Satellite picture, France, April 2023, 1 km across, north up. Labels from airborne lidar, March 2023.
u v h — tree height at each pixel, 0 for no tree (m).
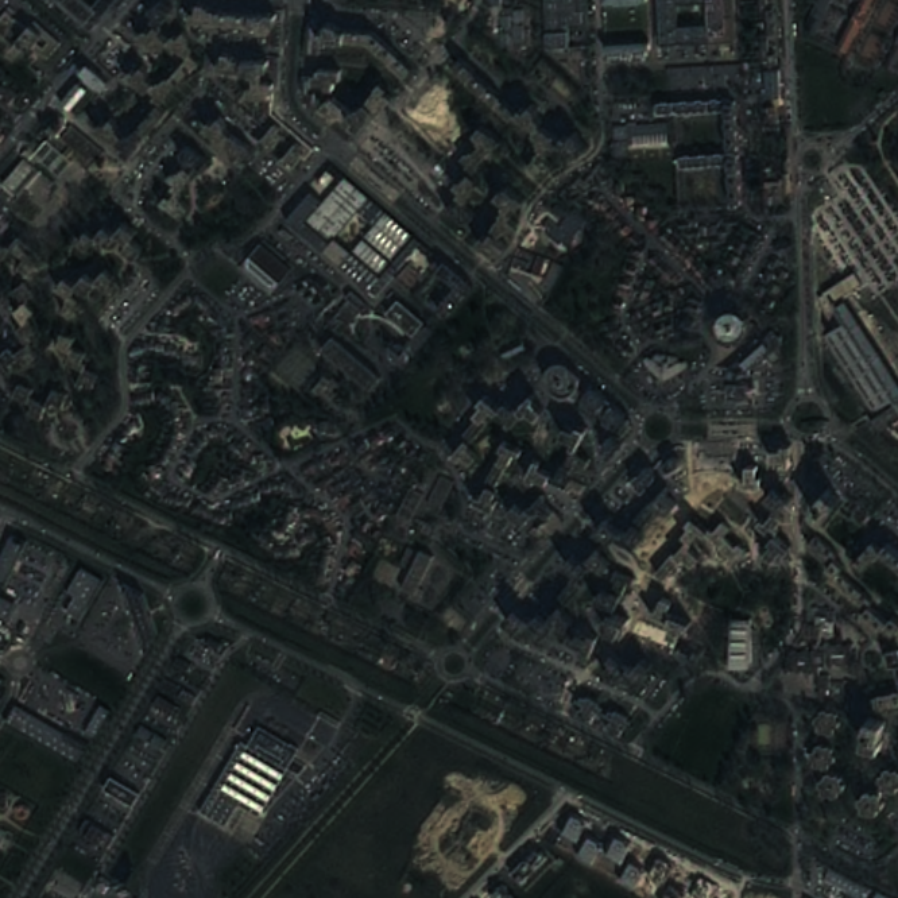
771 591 18
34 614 0
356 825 0
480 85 0
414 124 0
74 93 0
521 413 0
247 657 0
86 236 0
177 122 0
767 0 0
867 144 9
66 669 0
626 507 0
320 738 0
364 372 0
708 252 7
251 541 6
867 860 0
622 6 0
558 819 0
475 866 0
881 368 0
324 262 0
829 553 0
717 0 0
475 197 0
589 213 15
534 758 0
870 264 0
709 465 0
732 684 0
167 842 0
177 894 0
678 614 0
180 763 0
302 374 0
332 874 0
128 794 0
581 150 0
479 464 0
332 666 0
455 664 0
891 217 0
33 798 0
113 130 0
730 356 0
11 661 0
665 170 0
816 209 0
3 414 10
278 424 13
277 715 0
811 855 14
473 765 0
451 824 0
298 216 0
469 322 0
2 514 0
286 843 0
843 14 6
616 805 0
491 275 0
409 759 0
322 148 0
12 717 0
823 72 0
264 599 0
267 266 0
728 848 0
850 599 0
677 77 0
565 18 0
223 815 0
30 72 0
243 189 13
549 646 0
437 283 0
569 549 0
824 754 0
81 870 0
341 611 12
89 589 0
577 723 0
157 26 0
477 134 0
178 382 11
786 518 0
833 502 0
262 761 0
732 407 0
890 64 0
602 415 0
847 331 0
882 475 0
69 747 0
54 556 0
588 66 9
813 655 0
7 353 0
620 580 0
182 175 0
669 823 0
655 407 0
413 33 0
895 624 0
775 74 0
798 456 0
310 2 0
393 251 0
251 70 0
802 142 0
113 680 0
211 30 0
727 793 0
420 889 0
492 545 0
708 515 0
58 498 0
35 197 0
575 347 0
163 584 0
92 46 0
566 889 0
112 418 13
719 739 0
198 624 0
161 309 0
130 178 0
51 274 0
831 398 0
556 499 0
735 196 0
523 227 0
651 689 0
